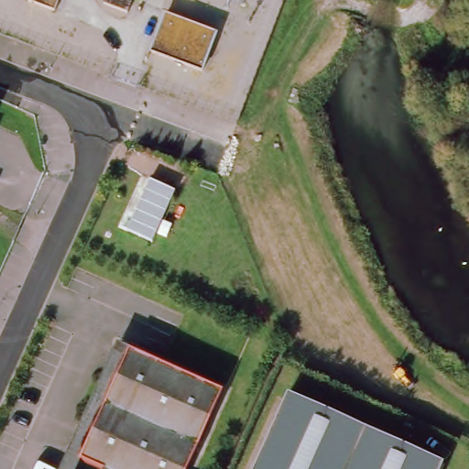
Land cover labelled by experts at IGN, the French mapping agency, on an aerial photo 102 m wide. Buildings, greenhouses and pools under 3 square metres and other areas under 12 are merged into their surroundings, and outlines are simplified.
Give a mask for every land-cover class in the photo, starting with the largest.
<instances>
[{"label":"impervious surface","instance_id":"1","mask_svg":"<svg viewBox=\"0 0 469 469\"><path fill-rule=\"evenodd\" d=\"M282 0H196L183 16L216 29L209 55L202 59V66L198 68L154 51V42L158 40L161 27L158 20L165 18L172 0H134L132 7H119L106 0H62L60 7H49L35 0H0V104H15L22 112L37 117L38 136L44 152V170L35 169L22 137L0 126V227L4 229L5 238L13 240L9 255L5 256L0 269V396L7 388L11 374L15 372L16 363L24 352V346L38 319H48V330L44 332L46 337L42 344H37L35 350L37 359L31 370V379L27 383H22L20 394L24 399L16 401L11 407L13 414L7 416L9 423L0 436V469H62V451L68 447L71 431L77 425V403L84 396L93 370L97 366L103 361L106 352L112 350L115 343L123 337L126 343L136 344L147 352L165 357L176 365L185 366L192 372H198L229 388L233 383L236 368L240 365L236 355L200 341L194 335L181 332L178 326L181 315L178 311L143 299L114 282L95 277L79 266L64 286L60 284L59 271L62 262L71 258L68 249L73 244V238H79L82 231L79 225L88 205L92 202L93 192L97 189L99 178L108 176L112 161L121 159L125 161L126 169L136 172L137 181L156 178L170 185L174 189V194L180 196L183 187L187 185V178L180 172L181 163L178 159L194 161L207 170L218 169L220 159L224 158V148L236 139L234 126L238 125L245 95L249 92L258 62L266 49L267 38L271 35L273 24L277 20Z\"/></svg>","mask_w":469,"mask_h":469},{"label":"herbaceous vegetation","instance_id":"2","mask_svg":"<svg viewBox=\"0 0 469 469\"><path fill-rule=\"evenodd\" d=\"M333 29L328 16L324 13L321 16L315 13L313 0H282L277 20L273 24L271 35L267 38L266 49L258 62L249 92L245 95L238 125L234 126L236 139L238 147L233 167L225 176H222L218 169L207 170L194 161L178 159L181 163L180 172L187 178V185L183 187L180 196L174 194L165 211V220L170 222L169 234H156L152 240H143L137 234L119 229V220L125 213L130 192L136 189L137 181L136 172L126 169L125 161L121 159L112 161L108 176L117 180L119 192L108 194L97 189L93 192L92 202L88 205L79 225L82 231L79 238L93 253L108 256L112 262L119 264L110 275L104 271L103 266H99L93 260H81L79 266L95 277L114 282L143 299L178 311L181 315L178 326L181 332L194 335L200 341L236 355L240 365L236 368L233 383L229 388L222 409L214 421L213 431L203 445L194 469H255L260 451L266 445L269 431L277 420L282 399L289 390L317 399L324 405L350 414L381 431L390 432L442 456V469H469V405L440 385L431 372L425 366H421L414 359V355L401 346L398 339L388 332L387 326L377 317L372 304L368 302L363 289L359 286V280L355 278L354 271L344 258L339 240L335 238L332 227L326 220V214L322 211L319 196L313 189L306 161L289 126L286 106L289 92L295 84L291 79L299 71L302 60L308 57L317 40L324 44L330 38V31ZM277 191L280 202L299 207L300 218L308 225L311 242L321 251L328 245L341 275L352 291V297L365 313L366 321L377 333L381 343L385 344L388 352L394 355V359L405 370L410 381L418 383L420 379L423 385H427L429 390L442 398L434 407L432 403L416 398L412 390L399 394L398 390L392 387L383 401L401 409V416L390 414L387 410L377 409L374 405H368L366 401L352 398L343 390L330 387L313 377L302 376L293 366H282L278 363L273 365L271 370L266 368L262 383H253V372L262 363V354L269 341V333L277 328L284 330L289 335L291 344L300 341L297 335L300 330V315L282 304L277 284L264 275V258L256 251L251 229L244 216L253 207V203L266 202L267 196ZM125 266L134 267L136 271L154 273L158 280L154 284H143L134 277H121V269ZM161 284L192 291L202 300L218 306H229L236 313H245L264 324L260 326L258 333L249 335L247 339L236 337L227 332V326L218 324L214 315L196 311L187 304L172 302L169 295H163L159 291ZM0 126L22 137L35 169L44 170V152L38 136L37 117L22 112L15 104H0ZM13 240L5 238L4 229L0 227V269L5 256L9 255Z\"/></svg>","mask_w":469,"mask_h":469},{"label":"building","instance_id":"3","mask_svg":"<svg viewBox=\"0 0 469 469\"><path fill-rule=\"evenodd\" d=\"M49 7H60L62 0H35ZM119 7H132L134 0H106ZM196 0H172L165 18L158 20L161 27L158 40L154 42V51L198 68L202 66V59L209 55L216 29L183 16ZM174 194V189L170 185L156 178L137 181L136 189L130 192L125 213L119 220V229L137 234L143 240H152L156 234H169L170 222L165 220V211ZM97 366L103 368V376L97 383L90 405L84 410L81 420H77V425L71 431L68 447L62 451V469H194L203 445L213 431L214 421L222 409L229 388L198 372H192L185 366L176 365L165 357L147 352L136 344L126 343L123 337L115 343L112 350L106 352L103 361ZM442 456L390 432L381 431L350 414L324 405L317 399L289 390L282 399L277 420L269 431L266 445L260 451L255 469H442Z\"/></svg>","mask_w":469,"mask_h":469},{"label":"water","instance_id":"4","mask_svg":"<svg viewBox=\"0 0 469 469\"><path fill-rule=\"evenodd\" d=\"M370 7H365L361 11L372 18L368 31L361 35V49L355 53L354 59L348 62V66L337 77V81L333 82L332 92L324 101L333 150L341 165L346 187L359 209L363 225L370 231V242L376 249L379 262L385 269V277L394 289L396 297L409 310L410 317L418 321L429 341L449 352H454L469 366V214L462 216L454 209L447 180L443 178L442 169L432 158L431 145L418 132L414 115L407 112L403 104L405 77L401 71L398 48L394 42V33L399 26L401 15L396 9V0H366Z\"/></svg>","mask_w":469,"mask_h":469},{"label":"bare soil","instance_id":"5","mask_svg":"<svg viewBox=\"0 0 469 469\"><path fill-rule=\"evenodd\" d=\"M315 13L321 16L324 13L328 16L333 29L330 31V38L324 44L317 40L308 57L302 60L299 71L291 79L295 84L289 92L286 106L289 126L306 161L313 189L319 196L322 211L326 214V220L332 227L335 238L339 240L344 258L354 271L355 278L359 280V286L363 289L368 302L372 304L377 317L387 326L388 332L398 339L401 346L414 355V359L421 366H425L431 372L440 385L469 405V394L464 388L458 387L451 377L445 376L436 368L420 346L410 341L405 330L398 326V322L394 321L392 315L381 306L374 282L368 278L365 271V262L357 255L354 244L350 242L341 211L333 202L332 192L328 189L324 174L317 165L319 158L311 150L310 130L304 121V115L299 112L297 92L300 86L324 70L330 64L333 55L343 46L348 33V9L361 11L365 7H370L366 0H313ZM443 2L451 4L454 0H396V9L401 15L399 26L425 22L442 7ZM238 147L236 139L224 148V158L220 159L218 169L222 176H225L233 167ZM244 216L251 229L256 251L264 258V275L277 284L282 304L300 315V330L297 335L300 341L291 344L284 350V357L324 372L357 390H363L372 398L383 401L392 387L398 390L399 394L412 390L416 398L432 403L434 407L442 398L429 390L427 385H423L420 379L418 383L410 381L405 370L394 359V355L388 352L385 344L381 343L377 333L366 321L365 313L352 297V291L341 275L328 245L321 251L311 242L308 225L300 218L299 207L280 202L277 191L267 196L266 202L253 203V207Z\"/></svg>","mask_w":469,"mask_h":469},{"label":"deciduous trees","instance_id":"6","mask_svg":"<svg viewBox=\"0 0 469 469\"><path fill-rule=\"evenodd\" d=\"M394 42L398 48L401 71L405 77L403 104L407 112L414 115L418 132L431 145L432 158L442 169L443 178L447 180L454 209L462 216L469 214V0H454L451 4L443 2L442 7L425 22L399 26L394 33ZM97 189L108 194L119 192L117 180L108 176L99 178ZM71 258L62 262L59 271L60 284L64 286L79 266L81 260H93L99 266H103L104 271L110 275L119 264L112 262L108 256L93 253L79 238H73V244L68 249ZM121 277H134L143 284H154L158 280L154 273L136 271L134 267L125 266L121 269ZM159 291L163 295H169L172 302L187 304L196 311L214 315L218 324L227 326V332L236 337L247 339L249 335L258 333L260 326L264 324L245 313H236L229 306H218L202 300L192 291L161 284ZM291 344L289 335L284 330L277 328L269 333V341L262 354V363L253 372V383H262L266 368L271 370L273 365L278 363L284 357V350Z\"/></svg>","mask_w":469,"mask_h":469},{"label":"brushwood","instance_id":"7","mask_svg":"<svg viewBox=\"0 0 469 469\"><path fill-rule=\"evenodd\" d=\"M348 33L343 46L333 55L330 64L324 70L300 86L297 92L299 112L304 115V121L310 130L311 150L319 158L317 165L324 174L328 189L332 192L333 202L341 211L350 242L354 244L357 255L365 262V271L368 278L374 282L381 306L392 315L394 321L398 322V326L405 330L410 341L420 346L436 368L445 376L451 377L458 387L464 388L469 394V366L454 352H449L429 341L418 321L410 317L409 310L396 297L394 289L385 277V269L379 262L376 249L370 242V231L363 225L359 209L346 187L341 165L333 150L324 101L332 92L333 82L337 81V77L348 66V62L354 59L355 53L361 49V35L368 31L372 18L361 11L348 9ZM48 330V319H38L24 346V352L16 363L15 372L11 374L7 388L0 396V436L9 423L7 416L13 414L11 407L16 401L24 399L20 394L22 383H27L31 379V370L37 359L35 350L37 344H42L46 337L44 332ZM278 363L282 366H293L302 376L313 377L330 387L343 390L352 398L366 401L368 405H374L377 409L387 410L390 414L401 416V409L383 401L372 398L363 390H357L324 372L284 357ZM103 376V368L97 366L93 370L84 396L77 403V420H81L84 410L90 405L97 383Z\"/></svg>","mask_w":469,"mask_h":469}]
</instances>
